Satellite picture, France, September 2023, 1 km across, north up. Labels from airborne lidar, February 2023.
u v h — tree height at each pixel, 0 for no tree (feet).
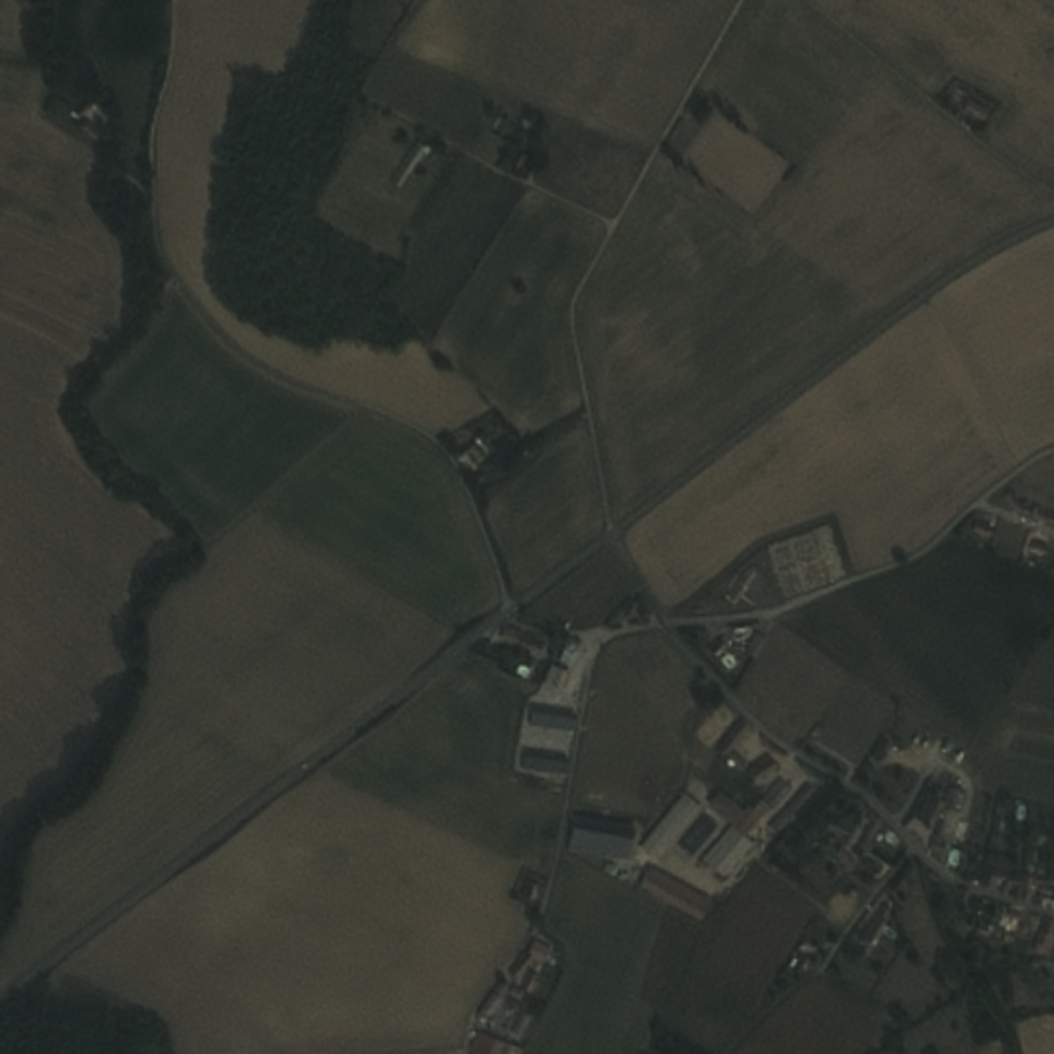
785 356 0
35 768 0
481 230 0
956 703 0
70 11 0
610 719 0
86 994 0
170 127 0
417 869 0
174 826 0
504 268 0
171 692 0
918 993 0
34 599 0
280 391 0
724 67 0
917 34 0
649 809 0
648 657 0
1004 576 0
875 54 0
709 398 0
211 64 0
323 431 0
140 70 0
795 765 0
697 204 0
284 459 0
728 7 0
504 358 0
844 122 0
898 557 32
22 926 0
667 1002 0
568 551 0
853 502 0
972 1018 24
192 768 0
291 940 0
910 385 0
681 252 0
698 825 0
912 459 0
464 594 0
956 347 0
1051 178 0
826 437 0
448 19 0
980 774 0
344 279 48
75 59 26
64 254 0
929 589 0
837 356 0
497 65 0
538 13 0
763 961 0
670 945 0
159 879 0
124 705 83
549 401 0
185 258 0
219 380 0
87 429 63
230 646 0
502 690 0
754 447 0
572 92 0
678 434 0
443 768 0
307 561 0
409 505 0
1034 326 0
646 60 0
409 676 0
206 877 0
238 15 0
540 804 0
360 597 0
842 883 0
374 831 0
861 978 0
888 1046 45
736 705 0
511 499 0
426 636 0
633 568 0
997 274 0
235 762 0
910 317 0
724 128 0
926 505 0
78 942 0
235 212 46
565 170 0
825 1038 0
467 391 0
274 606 0
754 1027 0
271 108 24
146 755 0
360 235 0
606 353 0
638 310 0
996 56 0
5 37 0
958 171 0
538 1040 0
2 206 0
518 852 0
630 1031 0
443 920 0
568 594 0
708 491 0
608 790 0
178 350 0
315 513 0
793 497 0
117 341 73
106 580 0
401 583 0
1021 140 0
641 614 20
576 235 0
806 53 0
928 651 0
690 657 0
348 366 0
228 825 0
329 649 0
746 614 0
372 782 0
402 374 0
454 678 0
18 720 0
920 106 0
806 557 0
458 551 0
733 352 0
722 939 0
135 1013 24
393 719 0
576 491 0
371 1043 0
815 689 0
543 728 0
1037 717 0
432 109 0
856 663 0
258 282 30
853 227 0
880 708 0
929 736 0
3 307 0
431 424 0
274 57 0
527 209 0
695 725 0
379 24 0
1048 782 0
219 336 0
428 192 0
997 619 0
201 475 0
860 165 0
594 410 0
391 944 0
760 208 0
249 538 0
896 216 0
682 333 0
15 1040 42
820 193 0
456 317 0
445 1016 0
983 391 0
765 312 0
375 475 0
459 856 0
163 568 59
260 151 47
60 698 0
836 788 46
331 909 0
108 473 62
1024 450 0
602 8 0
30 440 0
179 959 0
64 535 0
